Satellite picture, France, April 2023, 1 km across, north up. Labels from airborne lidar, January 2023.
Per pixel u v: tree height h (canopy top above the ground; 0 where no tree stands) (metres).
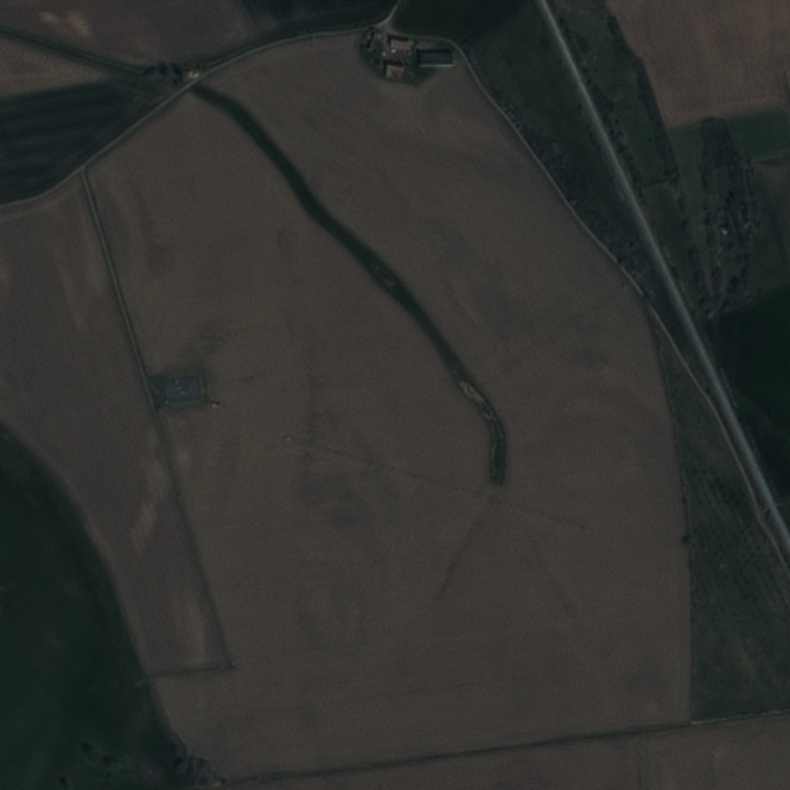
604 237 6
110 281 0
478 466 0
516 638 0
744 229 11
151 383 0
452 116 0
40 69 0
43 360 0
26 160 0
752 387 0
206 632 0
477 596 0
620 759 0
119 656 0
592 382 0
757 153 0
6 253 0
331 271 0
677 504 0
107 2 0
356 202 0
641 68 13
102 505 0
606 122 6
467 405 0
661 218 0
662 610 0
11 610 0
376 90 0
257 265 0
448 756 0
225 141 0
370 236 0
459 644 0
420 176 0
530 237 0
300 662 0
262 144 0
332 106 0
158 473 0
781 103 0
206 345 0
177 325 0
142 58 0
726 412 0
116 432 0
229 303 0
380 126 0
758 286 0
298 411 0
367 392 0
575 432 0
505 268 0
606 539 0
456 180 0
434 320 0
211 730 0
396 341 0
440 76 0
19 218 0
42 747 0
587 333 0
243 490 0
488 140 0
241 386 0
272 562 0
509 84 0
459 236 0
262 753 0
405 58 0
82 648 0
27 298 0
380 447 0
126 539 0
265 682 0
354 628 0
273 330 0
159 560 0
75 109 0
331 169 0
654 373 0
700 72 0
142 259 0
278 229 0
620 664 0
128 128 0
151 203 0
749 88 0
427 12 0
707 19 0
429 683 0
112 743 0
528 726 0
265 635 0
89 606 0
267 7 0
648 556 0
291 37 0
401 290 0
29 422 0
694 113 0
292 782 0
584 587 0
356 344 0
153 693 0
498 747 0
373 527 0
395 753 0
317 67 0
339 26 0
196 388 0
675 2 0
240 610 0
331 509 0
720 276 15
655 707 0
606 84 0
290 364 0
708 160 13
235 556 0
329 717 0
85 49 0
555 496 0
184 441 0
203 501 0
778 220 0
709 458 0
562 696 0
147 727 0
